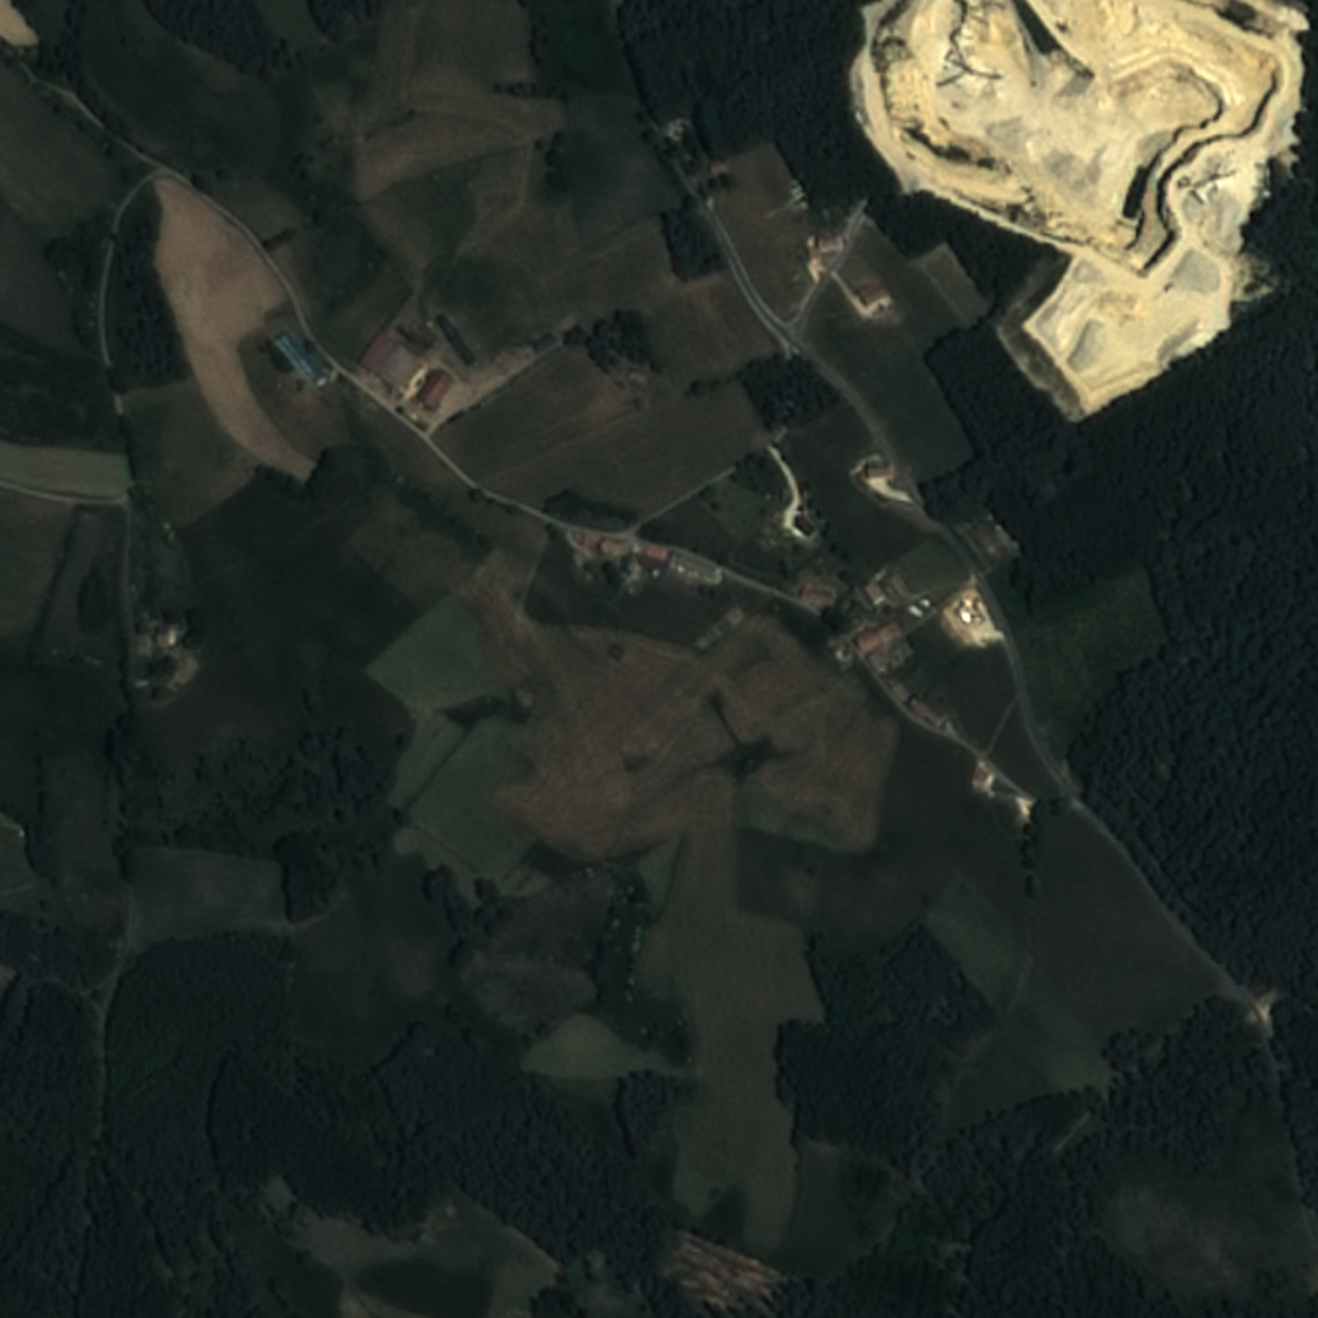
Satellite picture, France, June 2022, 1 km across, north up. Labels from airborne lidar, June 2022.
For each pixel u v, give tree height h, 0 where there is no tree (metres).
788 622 0
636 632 0
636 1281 0
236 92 0
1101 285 0
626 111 0
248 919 0
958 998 15
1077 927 0
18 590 0
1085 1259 18
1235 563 18
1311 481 18
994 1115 15
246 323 0
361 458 0
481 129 0
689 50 30
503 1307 0
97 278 7
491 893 12
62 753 0
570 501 10
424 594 0
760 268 0
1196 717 25
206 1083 14
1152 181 0
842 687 0
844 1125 19
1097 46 0
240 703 0
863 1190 11
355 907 0
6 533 0
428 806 0
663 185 0
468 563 0
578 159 0
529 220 0
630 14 18
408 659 0
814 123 16
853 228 0
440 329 0
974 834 0
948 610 0
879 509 0
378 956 0
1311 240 13
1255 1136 0
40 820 12
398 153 0
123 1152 15
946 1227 10
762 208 0
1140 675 20
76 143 0
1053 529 23
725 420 0
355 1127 12
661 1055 0
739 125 18
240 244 0
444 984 0
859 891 0
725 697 0
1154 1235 0
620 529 0
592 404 0
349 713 0
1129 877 0
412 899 0
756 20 28
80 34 14
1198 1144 21
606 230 0
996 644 0
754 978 0
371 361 0
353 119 0
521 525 0
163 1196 16
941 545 0
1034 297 0
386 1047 0
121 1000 13
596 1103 0
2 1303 13
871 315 0
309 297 0
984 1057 0
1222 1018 13
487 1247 0
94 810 0
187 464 0
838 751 0
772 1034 0
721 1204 0
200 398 0
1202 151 0
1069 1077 0
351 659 0
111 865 0
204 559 0
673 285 0
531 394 0
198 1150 16
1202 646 18
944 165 0
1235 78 0
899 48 0
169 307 13
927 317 0
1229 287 0
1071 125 0
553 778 0
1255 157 0
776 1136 0
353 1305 0
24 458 0
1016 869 0
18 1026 15
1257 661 19
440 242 0
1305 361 16
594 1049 0
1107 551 17
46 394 0
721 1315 0
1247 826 19
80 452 0
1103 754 12
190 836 18
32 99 0
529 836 0
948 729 0
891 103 0
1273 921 22
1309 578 20
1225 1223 0
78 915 0
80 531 0
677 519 0
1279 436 16
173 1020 13
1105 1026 0
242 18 19
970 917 0
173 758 0
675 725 0
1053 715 0
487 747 0
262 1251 0
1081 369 0
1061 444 35
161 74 0
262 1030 12
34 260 0
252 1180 22
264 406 0
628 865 0
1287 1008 19
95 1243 21
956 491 20
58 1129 18
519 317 0
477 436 0
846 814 0
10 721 0
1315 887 20
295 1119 21
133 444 9
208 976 11
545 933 0
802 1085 22
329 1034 0
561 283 0
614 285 0
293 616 0
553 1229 0
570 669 0
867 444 0
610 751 0
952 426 0
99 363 0
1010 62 0
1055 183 0
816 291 0
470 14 0
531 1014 0
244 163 0
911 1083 29
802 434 0
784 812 0
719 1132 0
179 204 0
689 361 0
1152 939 0
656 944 0
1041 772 0
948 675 0
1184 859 22
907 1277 15
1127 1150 12
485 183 0
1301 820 22
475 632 0
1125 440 22
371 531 0
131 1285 25
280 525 0
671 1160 0
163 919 0
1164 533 16
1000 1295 20
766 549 0
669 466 0
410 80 0
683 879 0
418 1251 0
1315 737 25
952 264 0
